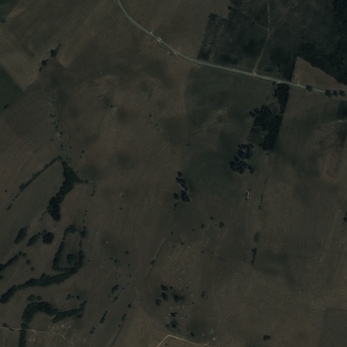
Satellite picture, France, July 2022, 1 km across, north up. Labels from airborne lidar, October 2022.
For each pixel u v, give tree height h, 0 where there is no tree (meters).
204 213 0
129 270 0
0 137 0
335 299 0
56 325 0
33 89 0
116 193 0
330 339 0
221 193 0
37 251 0
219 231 0
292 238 0
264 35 0
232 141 0
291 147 0
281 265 0
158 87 0
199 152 0
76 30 0
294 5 0
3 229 0
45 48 0
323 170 0
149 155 0
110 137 0
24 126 0
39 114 0
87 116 0
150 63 0
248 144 0
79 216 0
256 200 0
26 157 0
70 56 0
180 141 0
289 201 0
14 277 0
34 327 0
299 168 0
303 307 0
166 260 0
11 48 0
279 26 0
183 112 0
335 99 0
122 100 0
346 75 10
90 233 0
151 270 0
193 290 0
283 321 0
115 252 0
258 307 0
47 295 0
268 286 0
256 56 0
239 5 0
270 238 0
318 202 0
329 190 0
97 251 0
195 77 0
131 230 0
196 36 0
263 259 0
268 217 0
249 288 0
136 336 0
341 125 0
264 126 11
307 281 0
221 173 0
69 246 0
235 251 0
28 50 0
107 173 0
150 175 0
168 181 0
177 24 0
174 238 0
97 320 0
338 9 14
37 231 0
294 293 0
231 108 0
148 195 0
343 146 0
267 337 12
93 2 0
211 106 0
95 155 0
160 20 0
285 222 0
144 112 0
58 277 8
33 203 0
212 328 0
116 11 0
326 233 0
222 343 0
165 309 0
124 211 0
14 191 0
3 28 0
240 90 0
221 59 0
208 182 0
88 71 0
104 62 0
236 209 0
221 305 0
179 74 0
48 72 0
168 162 0
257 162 0
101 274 0
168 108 0
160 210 0
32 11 0
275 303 0
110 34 0
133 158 0
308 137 0
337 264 0
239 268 0
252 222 0
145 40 0
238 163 17
